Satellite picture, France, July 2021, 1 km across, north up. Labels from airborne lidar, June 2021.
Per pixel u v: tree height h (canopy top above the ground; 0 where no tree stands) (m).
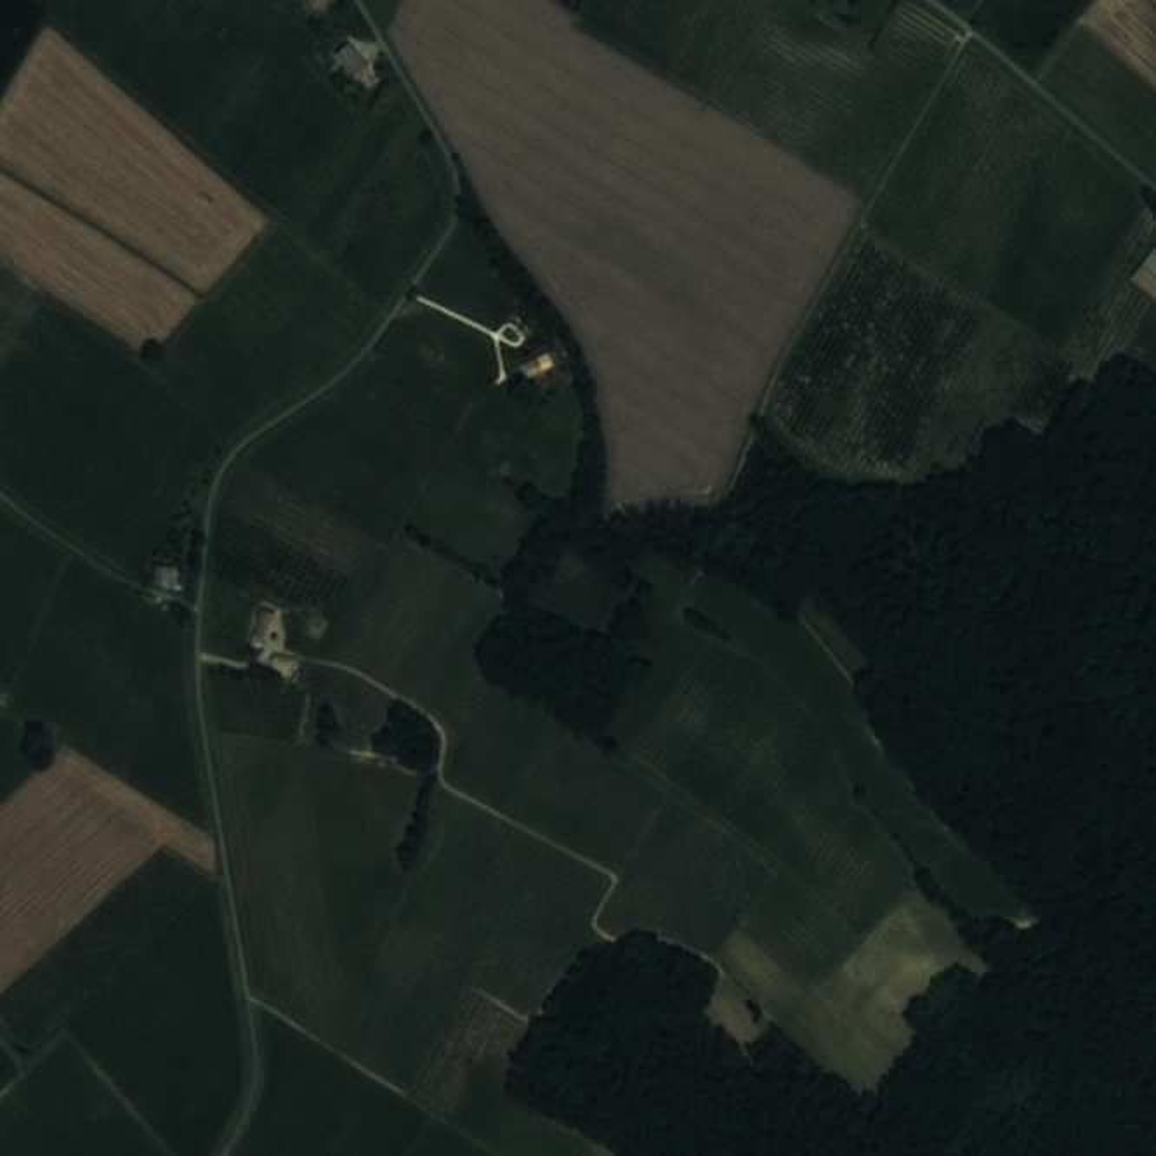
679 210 0
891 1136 18
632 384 0
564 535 25
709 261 0
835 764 0
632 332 0
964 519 24
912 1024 10
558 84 0
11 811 0
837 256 0
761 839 0
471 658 0
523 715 0
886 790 0
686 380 0
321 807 0
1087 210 0
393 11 0
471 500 0
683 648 0
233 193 0
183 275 0
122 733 0
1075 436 19
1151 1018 20
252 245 0
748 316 0
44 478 0
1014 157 0
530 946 0
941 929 0
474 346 0
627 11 0
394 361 0
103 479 0
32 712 0
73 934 0
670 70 0
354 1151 0
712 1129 18
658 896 0
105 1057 0
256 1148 0
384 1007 0
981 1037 17
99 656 0
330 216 0
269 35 0
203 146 0
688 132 0
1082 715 24
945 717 22
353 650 0
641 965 18
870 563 26
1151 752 23
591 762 0
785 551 23
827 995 0
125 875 0
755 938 0
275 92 0
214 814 0
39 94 0
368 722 0
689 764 0
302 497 0
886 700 19
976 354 0
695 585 0
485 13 0
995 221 0
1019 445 19
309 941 0
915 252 0
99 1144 0
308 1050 0
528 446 0
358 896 0
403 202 0
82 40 0
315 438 0
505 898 0
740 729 0
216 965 0
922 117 0
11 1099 0
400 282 0
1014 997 20
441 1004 0
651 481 0
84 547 0
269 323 0
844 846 0
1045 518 21
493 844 0
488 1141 0
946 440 0
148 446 0
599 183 0
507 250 11
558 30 0
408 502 0
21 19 0
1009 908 0
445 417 0
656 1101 18
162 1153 0
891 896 0
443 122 0
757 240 0
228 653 0
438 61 0
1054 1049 19
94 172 0
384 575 0
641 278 0
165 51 0
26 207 0
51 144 0
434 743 15
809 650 0
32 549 0
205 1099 0
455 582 0
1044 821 27
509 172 0
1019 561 18
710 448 0
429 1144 0
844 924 0
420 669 0
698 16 0
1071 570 29
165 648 0
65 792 0
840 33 0
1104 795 26
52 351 0
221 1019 0
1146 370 19
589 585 0
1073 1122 18
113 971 0
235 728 0
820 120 0
